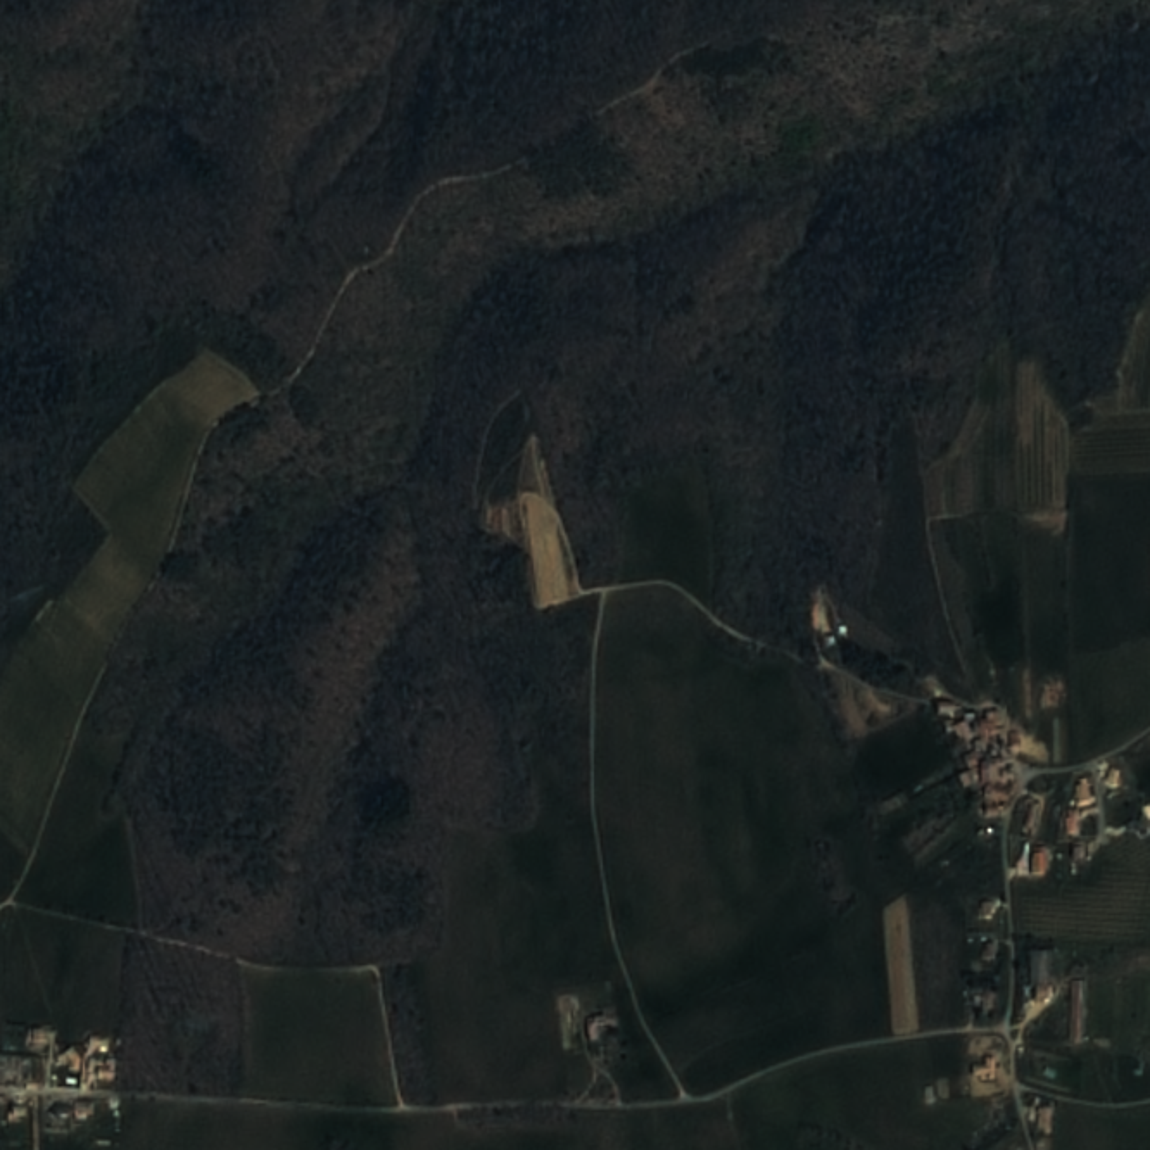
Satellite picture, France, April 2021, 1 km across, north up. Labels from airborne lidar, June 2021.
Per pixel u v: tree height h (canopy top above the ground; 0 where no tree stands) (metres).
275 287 15
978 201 13
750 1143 0
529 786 11
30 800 0
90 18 14
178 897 6
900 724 0
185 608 11
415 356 9
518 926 0
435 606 15
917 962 0
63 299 16
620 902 0
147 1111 0
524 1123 6
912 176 13
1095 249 17
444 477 9
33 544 8
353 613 11
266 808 8
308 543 17
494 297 13
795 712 0
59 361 14
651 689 0
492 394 12
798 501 13
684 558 0
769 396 10
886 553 0
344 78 13
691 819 0
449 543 10
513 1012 0
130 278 11
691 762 0
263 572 10
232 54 11
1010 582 0
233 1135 0
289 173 15
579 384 11
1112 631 0
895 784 0
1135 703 0
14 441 10
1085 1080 0
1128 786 0
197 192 15
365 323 10
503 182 11
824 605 0
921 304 10
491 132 15
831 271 10
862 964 0
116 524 0
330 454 14
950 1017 0
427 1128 0
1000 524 0
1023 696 0
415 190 9
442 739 8
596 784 0
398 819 17
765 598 15
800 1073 0
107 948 0
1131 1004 0
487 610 11
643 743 0
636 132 6
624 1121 0
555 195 12
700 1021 0
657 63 14
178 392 0
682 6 17
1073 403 0
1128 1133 0
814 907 0
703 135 6
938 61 5
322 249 11
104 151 10
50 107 8
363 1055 0
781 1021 0
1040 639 0
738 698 0
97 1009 0
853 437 7
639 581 0
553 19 10
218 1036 10
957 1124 0
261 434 7
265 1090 0
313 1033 0
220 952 5
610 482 12
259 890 10
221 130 18
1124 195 17
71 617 0
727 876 0
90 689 0
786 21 9
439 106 16
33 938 0
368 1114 0
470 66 18
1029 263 10
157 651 14
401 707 9
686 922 0
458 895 0
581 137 10
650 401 14
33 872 0
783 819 0
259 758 9
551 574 0
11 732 0
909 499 0
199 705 17
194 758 13
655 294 11
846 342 7
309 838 8
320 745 8
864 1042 0
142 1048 12
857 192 19
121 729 9
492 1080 0
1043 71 21
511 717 19
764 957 0
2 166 9
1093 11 9
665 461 8
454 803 9
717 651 0
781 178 13
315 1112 0
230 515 11
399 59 8
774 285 15
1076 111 13
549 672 11
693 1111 0
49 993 0
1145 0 10
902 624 0
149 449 0
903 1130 0
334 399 12
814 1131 14
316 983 0
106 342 8
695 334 12
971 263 11
